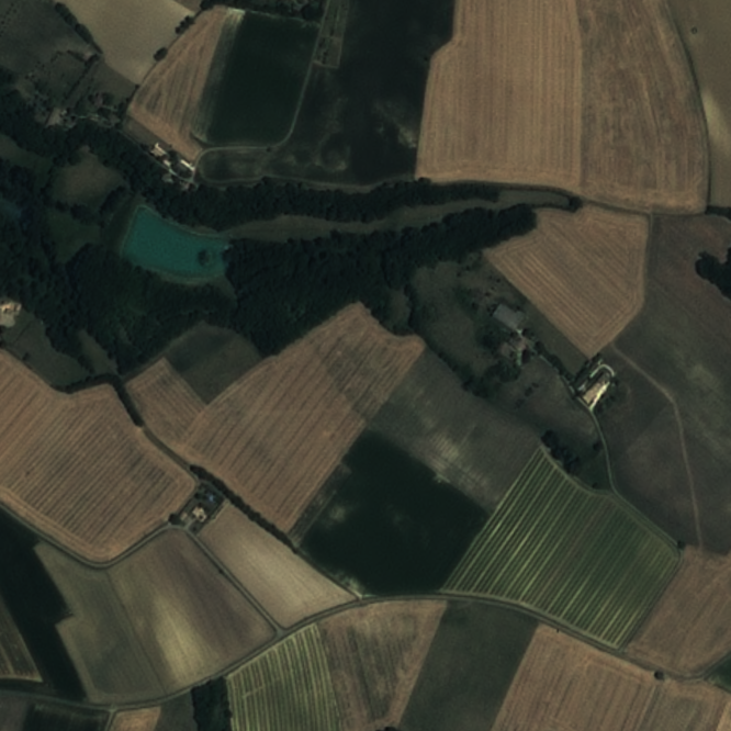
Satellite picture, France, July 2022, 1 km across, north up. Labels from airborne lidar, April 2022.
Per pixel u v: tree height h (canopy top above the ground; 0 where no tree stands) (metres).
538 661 0
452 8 0
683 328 0
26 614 0
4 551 0
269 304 10
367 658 0
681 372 0
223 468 0
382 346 0
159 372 0
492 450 0
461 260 11
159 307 6
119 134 8
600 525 0
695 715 0
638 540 0
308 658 0
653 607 0
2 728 0
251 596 0
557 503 0
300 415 0
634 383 0
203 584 0
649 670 0
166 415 0
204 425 0
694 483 0
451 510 0
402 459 0
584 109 0
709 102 0
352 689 0
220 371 0
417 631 0
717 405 0
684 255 0
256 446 0
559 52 0
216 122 0
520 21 0
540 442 0
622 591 0
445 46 0
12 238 22
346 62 0
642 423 0
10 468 0
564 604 0
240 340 0
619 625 0
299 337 15
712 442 0
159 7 0
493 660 0
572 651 0
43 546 0
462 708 0
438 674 0
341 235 27
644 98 0
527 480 0
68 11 9
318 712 0
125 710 0
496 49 0
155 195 28
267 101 0
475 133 0
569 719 0
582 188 0
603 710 0
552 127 0
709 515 0
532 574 0
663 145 0
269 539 0
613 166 0
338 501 0
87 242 0
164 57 10
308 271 17
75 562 0
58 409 0
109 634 0
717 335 0
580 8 0
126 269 7
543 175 0
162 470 0
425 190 13
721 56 0
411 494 0
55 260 17
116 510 0
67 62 0
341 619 0
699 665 0
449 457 0
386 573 0
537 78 0
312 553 0
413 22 0
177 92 0
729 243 0
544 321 0
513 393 0
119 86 0
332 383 0
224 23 0
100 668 0
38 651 0
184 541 0
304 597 0
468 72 0
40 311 14
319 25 0
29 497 0
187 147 0
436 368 0
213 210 17
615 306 0
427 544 0
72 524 0
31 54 0
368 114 0
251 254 15
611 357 0
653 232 0
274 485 0
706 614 0
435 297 0
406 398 0
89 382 11
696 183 0
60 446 0
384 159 0
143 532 0
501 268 0
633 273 0
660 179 0
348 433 0
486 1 0
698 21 0
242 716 0
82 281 25
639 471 0
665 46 0
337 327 0
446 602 0
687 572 0
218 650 0
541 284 0
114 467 0
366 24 0
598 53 0
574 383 7
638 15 0
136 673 0
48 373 0
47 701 0
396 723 0
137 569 0
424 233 11
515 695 0
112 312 8
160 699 0
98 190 0
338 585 0
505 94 0
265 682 0
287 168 0
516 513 0
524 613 0
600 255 0
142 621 0
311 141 0
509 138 0
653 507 0
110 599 0
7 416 0
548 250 0
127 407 9
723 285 18
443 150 0
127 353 11
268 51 0
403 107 0
